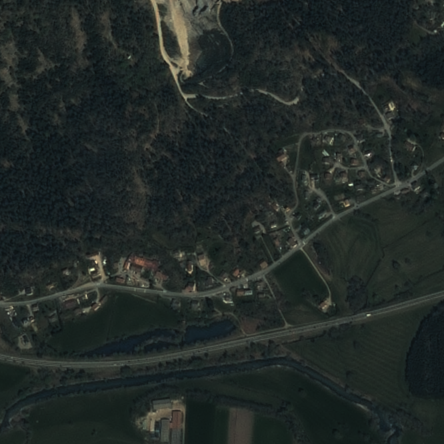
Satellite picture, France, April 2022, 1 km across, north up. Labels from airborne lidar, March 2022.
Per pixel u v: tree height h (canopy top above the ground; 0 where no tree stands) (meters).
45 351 14
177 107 12
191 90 9
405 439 0
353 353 0
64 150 30
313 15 24
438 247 0
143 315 0
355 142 0
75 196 22
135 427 0
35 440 0
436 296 0
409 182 0
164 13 0
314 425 0
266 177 21
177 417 0
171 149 8
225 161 26
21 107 21
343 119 15
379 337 0
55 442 0
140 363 0
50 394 0
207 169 27
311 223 0
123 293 0
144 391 0
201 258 0
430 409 0
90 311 0
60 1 17
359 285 9
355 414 0
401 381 0
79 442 0
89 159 20
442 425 0
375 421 17
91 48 9
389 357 0
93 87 20
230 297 0
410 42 9
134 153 19
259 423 0
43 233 14
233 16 13
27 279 0
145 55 9
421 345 18
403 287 0
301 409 0
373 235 0
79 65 16
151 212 11
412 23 30
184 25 0
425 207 19
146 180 24
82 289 0
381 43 33
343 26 27
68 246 24
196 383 0
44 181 26
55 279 0
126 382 0
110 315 0
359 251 0
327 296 0
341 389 0
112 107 28
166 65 13
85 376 21
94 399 0
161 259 0
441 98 0
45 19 10
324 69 26
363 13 27
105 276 0
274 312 9
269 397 0
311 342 0
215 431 0
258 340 0
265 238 8
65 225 24
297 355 0
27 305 0
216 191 15
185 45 0
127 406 0
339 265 0
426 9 13
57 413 0
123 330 0
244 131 14
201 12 0
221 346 0
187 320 9
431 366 19
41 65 7
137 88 21
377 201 0
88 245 27
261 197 0
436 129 0
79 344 0
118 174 17
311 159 0
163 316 0
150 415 0
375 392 0
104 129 14
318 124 10
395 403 0
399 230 0
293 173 0
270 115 25
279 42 9
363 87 12
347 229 0
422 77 24
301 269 0
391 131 0
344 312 0
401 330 0
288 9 30
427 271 0
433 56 18
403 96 0
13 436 0
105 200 13
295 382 0
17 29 20
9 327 0
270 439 0
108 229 16
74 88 12
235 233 10
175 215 19
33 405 0
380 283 0
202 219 28
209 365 0
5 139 20
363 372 0
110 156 11
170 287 0
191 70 0
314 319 0
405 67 26
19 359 0
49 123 17
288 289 0
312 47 38
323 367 0
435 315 20
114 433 0
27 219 27
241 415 0
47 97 22
